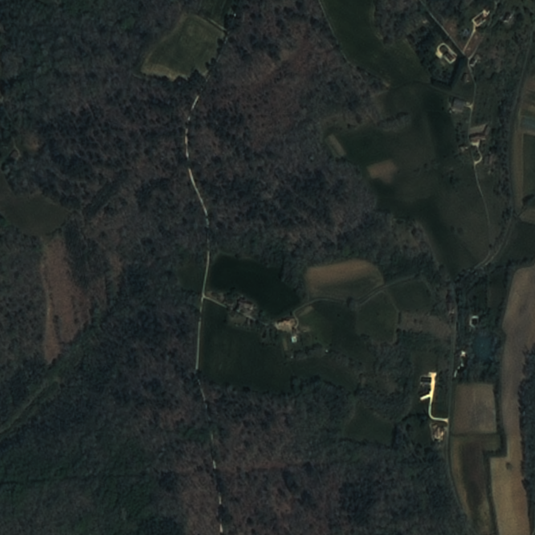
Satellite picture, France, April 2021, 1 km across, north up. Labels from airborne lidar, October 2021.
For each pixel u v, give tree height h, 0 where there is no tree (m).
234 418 8
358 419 0
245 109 9
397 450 16
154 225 14
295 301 0
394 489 16
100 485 22
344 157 0
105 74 8
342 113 23
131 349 19
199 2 9
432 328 0
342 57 15
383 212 13
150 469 14
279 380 0
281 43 18
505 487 0
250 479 17
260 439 18
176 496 16
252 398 15
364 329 0
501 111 14
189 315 14
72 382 13
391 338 0
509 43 9
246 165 9
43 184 23
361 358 0
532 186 0
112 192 11
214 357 0
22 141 16
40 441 11
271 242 15
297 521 16
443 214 0
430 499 15
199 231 8
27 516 16
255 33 11
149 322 26
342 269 0
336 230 20
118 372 12
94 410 15
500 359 14
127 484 24
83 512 19
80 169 26
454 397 0
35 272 17
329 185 20
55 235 7
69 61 19
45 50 19
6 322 11
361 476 9
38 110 14
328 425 13
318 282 0
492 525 0
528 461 17
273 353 0
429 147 0
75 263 11
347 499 18
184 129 13
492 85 16
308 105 8
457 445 0
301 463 10
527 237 0
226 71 16
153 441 15
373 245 26
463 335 14
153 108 21
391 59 0
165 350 24
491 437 0
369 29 0
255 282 0
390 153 0
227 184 13
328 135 0
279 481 7
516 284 0
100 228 11
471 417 0
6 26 21
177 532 27
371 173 0
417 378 0
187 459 18
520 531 0
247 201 25
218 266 0
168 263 15
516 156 0
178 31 0
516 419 0
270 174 7
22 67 17
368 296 0
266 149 16
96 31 18
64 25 13
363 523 16
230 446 8
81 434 17
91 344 17
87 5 18
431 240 0
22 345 16
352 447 19
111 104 17
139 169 7
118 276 7
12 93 23
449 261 0
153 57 0
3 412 19
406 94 0
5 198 0
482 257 0
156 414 17
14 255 8
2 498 21
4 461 19
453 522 20
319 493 9
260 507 9
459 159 9
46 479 14
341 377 0
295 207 28
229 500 10
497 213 0
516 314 0
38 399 7
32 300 17
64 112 20
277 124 21
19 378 20
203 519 18
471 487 0
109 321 18
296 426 20
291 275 15
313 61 17
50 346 0
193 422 9
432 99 0
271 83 6
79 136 17
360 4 0
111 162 13
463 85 0
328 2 0
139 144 17
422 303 0
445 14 20
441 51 0
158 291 14
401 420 17
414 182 0
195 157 9
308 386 16
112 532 21
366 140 0
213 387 14
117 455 13
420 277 11
